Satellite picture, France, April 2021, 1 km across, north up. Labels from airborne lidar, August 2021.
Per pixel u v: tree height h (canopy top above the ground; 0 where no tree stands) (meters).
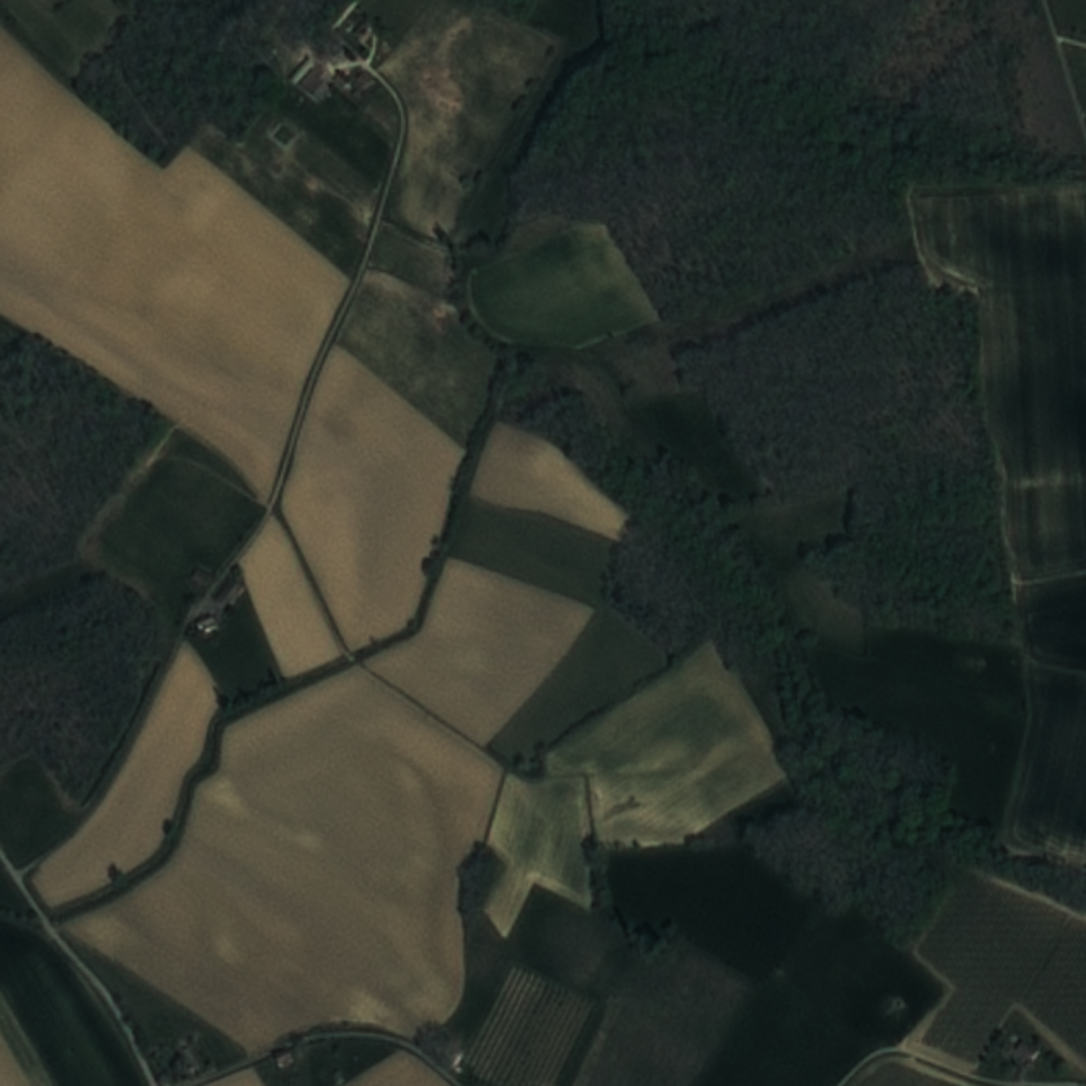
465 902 14
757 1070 0
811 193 20
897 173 24
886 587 18
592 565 0
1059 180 10
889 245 13
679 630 18
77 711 10
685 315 20
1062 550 0
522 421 9
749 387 17
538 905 0
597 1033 0
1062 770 0
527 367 20
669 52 23
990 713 0
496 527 0
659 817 0
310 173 0
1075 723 0
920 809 18
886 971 0
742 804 0
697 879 0
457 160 0
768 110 28
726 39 22
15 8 0
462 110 0
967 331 15
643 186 18
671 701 0
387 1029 0
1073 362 0
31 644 15
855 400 19
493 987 0
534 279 0
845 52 17
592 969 0
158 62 21
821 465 15
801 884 18
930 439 17
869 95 9
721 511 13
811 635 9
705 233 19
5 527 15
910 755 18
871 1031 0
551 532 0
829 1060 0
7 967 0
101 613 17
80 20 0
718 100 25
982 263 0
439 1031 13
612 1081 0
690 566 17
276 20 21
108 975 0
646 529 16
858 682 0
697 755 0
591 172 18
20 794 0
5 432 17
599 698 0
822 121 28
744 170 19
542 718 0
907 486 22
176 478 0
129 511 0
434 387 0
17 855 0
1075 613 0
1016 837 0
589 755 0
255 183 0
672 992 0
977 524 20
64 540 18
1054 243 0
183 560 0
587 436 19
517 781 0
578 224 14
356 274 0
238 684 0
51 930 0
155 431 21
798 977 0
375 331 0
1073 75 0
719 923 0
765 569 9
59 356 17
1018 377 0
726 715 0
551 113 17
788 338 18
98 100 17
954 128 16
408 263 0
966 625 23
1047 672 0
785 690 12
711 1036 0
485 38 0
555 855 0
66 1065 0
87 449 19
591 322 0
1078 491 0
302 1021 0
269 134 0
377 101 0
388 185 0
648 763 0
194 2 9
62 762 14
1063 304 0
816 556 16
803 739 8
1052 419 0
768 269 20
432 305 0
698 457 0
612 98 23
